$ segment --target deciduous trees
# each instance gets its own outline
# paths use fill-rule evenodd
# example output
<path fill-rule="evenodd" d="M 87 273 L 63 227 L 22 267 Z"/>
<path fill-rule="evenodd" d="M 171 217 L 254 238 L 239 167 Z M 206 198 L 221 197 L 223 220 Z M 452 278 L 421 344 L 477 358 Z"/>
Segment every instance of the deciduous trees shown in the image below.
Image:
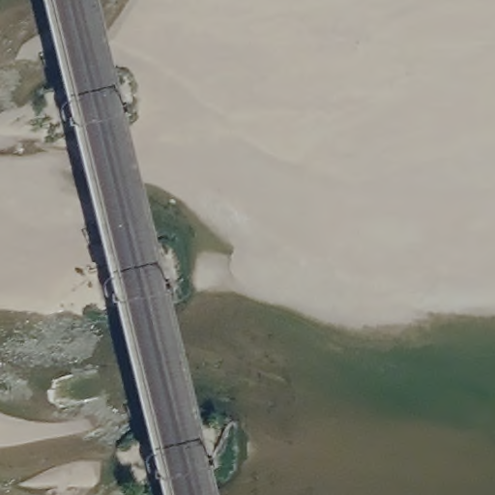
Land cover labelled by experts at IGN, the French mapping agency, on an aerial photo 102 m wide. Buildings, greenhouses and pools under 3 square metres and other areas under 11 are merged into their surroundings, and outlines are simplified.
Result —
<path fill-rule="evenodd" d="M 213 414 L 209 420 L 203 420 L 207 425 L 215 429 L 215 449 L 220 454 L 224 452 L 228 435 L 236 429 L 236 423 L 218 414 Z"/>
<path fill-rule="evenodd" d="M 126 485 L 120 487 L 124 495 L 153 495 L 147 481 L 137 481 L 133 476 Z"/>

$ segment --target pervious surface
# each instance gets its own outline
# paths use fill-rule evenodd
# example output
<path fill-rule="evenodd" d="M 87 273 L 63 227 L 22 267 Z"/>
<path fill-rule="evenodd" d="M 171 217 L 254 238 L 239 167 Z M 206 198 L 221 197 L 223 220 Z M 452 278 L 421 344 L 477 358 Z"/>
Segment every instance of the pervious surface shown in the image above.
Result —
<path fill-rule="evenodd" d="M 166 278 L 166 273 L 160 265 L 157 251 L 162 246 L 160 242 L 147 197 L 147 189 L 153 186 L 141 180 L 130 128 L 126 126 L 128 102 L 124 101 L 120 87 L 116 85 L 116 66 L 112 62 L 108 46 L 110 29 L 106 27 L 108 8 L 102 0 L 56 0 L 62 33 L 72 64 L 73 81 L 79 95 L 83 126 L 87 131 L 91 157 L 99 176 L 104 211 L 114 240 L 116 265 L 122 273 L 122 286 L 128 298 L 133 333 L 139 346 L 145 379 L 149 385 L 155 420 L 159 425 L 160 443 L 164 449 L 164 460 L 174 495 L 220 495 L 218 481 L 217 474 L 213 472 L 215 468 L 213 456 L 207 451 L 201 433 L 207 425 L 203 420 L 193 391 L 186 346 L 174 309 L 176 304 L 162 294 L 162 280 Z"/>

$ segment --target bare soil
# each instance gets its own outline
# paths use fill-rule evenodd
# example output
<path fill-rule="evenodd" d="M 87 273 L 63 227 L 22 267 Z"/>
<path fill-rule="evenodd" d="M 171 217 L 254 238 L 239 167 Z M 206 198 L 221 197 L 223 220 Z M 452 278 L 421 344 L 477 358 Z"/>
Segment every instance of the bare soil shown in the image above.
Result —
<path fill-rule="evenodd" d="M 70 108 L 60 112 L 56 108 L 52 91 L 44 93 L 44 99 L 44 110 L 50 118 L 44 122 L 41 130 L 31 128 L 31 120 L 35 114 L 33 104 L 25 104 L 21 108 L 0 114 L 0 309 L 41 315 L 70 311 L 79 315 L 83 313 L 85 306 L 106 309 L 116 306 L 114 286 L 102 249 L 101 234 L 72 126 Z"/>
<path fill-rule="evenodd" d="M 87 489 L 93 487 L 101 478 L 101 466 L 99 462 L 72 462 L 52 468 L 35 480 L 23 481 L 23 487 L 44 487 L 46 495 L 85 495 Z"/>
<path fill-rule="evenodd" d="M 232 255 L 220 255 L 211 251 L 199 253 L 193 269 L 195 290 L 238 292 L 265 304 L 290 307 L 321 323 L 354 331 L 362 329 L 365 325 L 414 325 L 420 319 L 427 319 L 431 311 L 458 315 L 495 315 L 495 0 L 128 0 L 122 14 L 110 29 L 108 46 L 112 62 L 116 66 L 124 66 L 131 70 L 137 81 L 137 120 L 130 128 L 141 180 L 153 186 L 178 197 L 209 230 L 213 230 L 224 242 L 232 246 Z"/>
<path fill-rule="evenodd" d="M 0 414 L 0 449 L 77 435 L 87 431 L 89 422 L 25 422 Z"/>
<path fill-rule="evenodd" d="M 39 60 L 43 56 L 41 37 L 35 37 L 19 48 L 17 60 Z"/>

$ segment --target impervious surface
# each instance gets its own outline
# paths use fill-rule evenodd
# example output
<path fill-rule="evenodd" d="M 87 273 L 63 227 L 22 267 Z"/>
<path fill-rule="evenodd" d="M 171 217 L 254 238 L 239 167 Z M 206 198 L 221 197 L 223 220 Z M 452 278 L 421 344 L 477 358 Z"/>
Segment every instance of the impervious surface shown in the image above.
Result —
<path fill-rule="evenodd" d="M 215 449 L 215 429 L 207 425 L 201 433 L 207 451 L 213 456 L 215 468 L 220 466 L 220 454 Z"/>
<path fill-rule="evenodd" d="M 162 294 L 176 304 L 180 304 L 176 257 L 172 249 L 168 251 L 162 246 L 157 251 L 160 265 L 166 273 L 166 278 L 162 280 Z"/>
<path fill-rule="evenodd" d="M 72 126 L 101 234 L 102 249 L 114 286 L 116 306 L 120 313 L 133 379 L 147 425 L 147 429 L 135 437 L 135 445 L 131 445 L 128 451 L 118 449 L 120 462 L 130 464 L 133 476 L 137 481 L 147 481 L 153 495 L 174 495 L 164 460 L 164 449 L 160 443 L 159 425 L 155 420 L 149 385 L 145 379 L 139 346 L 133 333 L 128 298 L 122 286 L 122 273 L 116 265 L 114 240 L 104 211 L 99 176 L 91 157 L 87 131 L 83 126 L 79 95 L 73 81 L 72 64 L 62 33 L 56 0 L 43 0 L 70 108 Z"/>

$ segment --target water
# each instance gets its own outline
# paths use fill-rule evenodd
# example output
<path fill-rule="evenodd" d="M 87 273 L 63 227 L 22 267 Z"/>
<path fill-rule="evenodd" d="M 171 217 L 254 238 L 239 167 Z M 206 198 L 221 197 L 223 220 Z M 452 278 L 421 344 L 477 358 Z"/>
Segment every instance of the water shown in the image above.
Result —
<path fill-rule="evenodd" d="M 108 8 L 106 27 L 110 29 L 122 14 L 128 0 L 102 0 Z"/>
<path fill-rule="evenodd" d="M 232 246 L 224 242 L 213 230 L 209 230 L 178 197 L 153 186 L 147 189 L 147 197 L 160 242 L 178 240 L 180 246 L 184 247 L 188 265 L 193 269 L 199 253 L 211 251 L 220 255 L 232 255 Z"/>
<path fill-rule="evenodd" d="M 186 302 L 180 304 L 176 304 L 174 309 L 186 346 L 193 391 L 203 420 L 209 420 L 213 414 L 218 414 L 236 423 L 236 429 L 236 472 L 230 480 L 218 481 L 220 495 L 495 495 L 495 315 L 458 315 L 431 311 L 427 319 L 420 319 L 414 325 L 365 325 L 362 329 L 354 331 L 321 323 L 290 307 L 265 304 L 238 292 L 195 290 Z"/>
<path fill-rule="evenodd" d="M 35 37 L 41 37 L 43 56 L 39 60 L 17 60 L 19 48 Z M 56 108 L 60 112 L 70 108 L 43 0 L 0 0 L 0 114 L 21 108 L 25 104 L 33 104 L 44 99 L 44 93 L 52 91 Z"/>
<path fill-rule="evenodd" d="M 106 309 L 106 325 L 87 323 L 79 315 L 70 311 L 41 315 L 0 309 L 0 414 L 25 422 L 89 422 L 87 431 L 77 435 L 0 449 L 0 495 L 46 495 L 44 487 L 23 487 L 23 481 L 35 480 L 52 468 L 72 462 L 99 462 L 101 466 L 101 478 L 93 487 L 87 489 L 85 495 L 124 495 L 120 487 L 126 485 L 133 476 L 130 464 L 120 462 L 118 449 L 128 451 L 131 445 L 135 445 L 135 437 L 147 429 L 147 425 L 133 379 L 120 313 L 116 306 Z"/>

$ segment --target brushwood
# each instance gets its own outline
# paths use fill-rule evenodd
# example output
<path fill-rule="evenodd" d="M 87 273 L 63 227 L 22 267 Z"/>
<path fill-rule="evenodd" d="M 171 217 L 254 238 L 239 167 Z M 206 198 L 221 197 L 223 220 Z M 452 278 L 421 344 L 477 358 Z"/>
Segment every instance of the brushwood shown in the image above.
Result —
<path fill-rule="evenodd" d="M 85 306 L 83 313 L 79 315 L 87 323 L 106 325 L 106 309 Z"/>
<path fill-rule="evenodd" d="M 31 128 L 41 130 L 44 122 L 50 118 L 44 110 L 44 99 L 33 104 L 35 114 L 31 120 Z"/>
<path fill-rule="evenodd" d="M 220 466 L 215 468 L 213 472 L 217 474 L 218 481 L 230 480 L 236 472 L 236 429 L 228 435 L 224 452 L 220 454 Z"/>
<path fill-rule="evenodd" d="M 124 101 L 128 102 L 126 126 L 130 128 L 137 120 L 137 81 L 131 70 L 124 66 L 116 66 L 116 85 L 120 87 Z"/>
<path fill-rule="evenodd" d="M 162 246 L 168 251 L 172 249 L 176 257 L 180 304 L 186 302 L 195 290 L 193 269 L 188 265 L 184 247 L 180 246 L 178 240 L 160 242 Z"/>

